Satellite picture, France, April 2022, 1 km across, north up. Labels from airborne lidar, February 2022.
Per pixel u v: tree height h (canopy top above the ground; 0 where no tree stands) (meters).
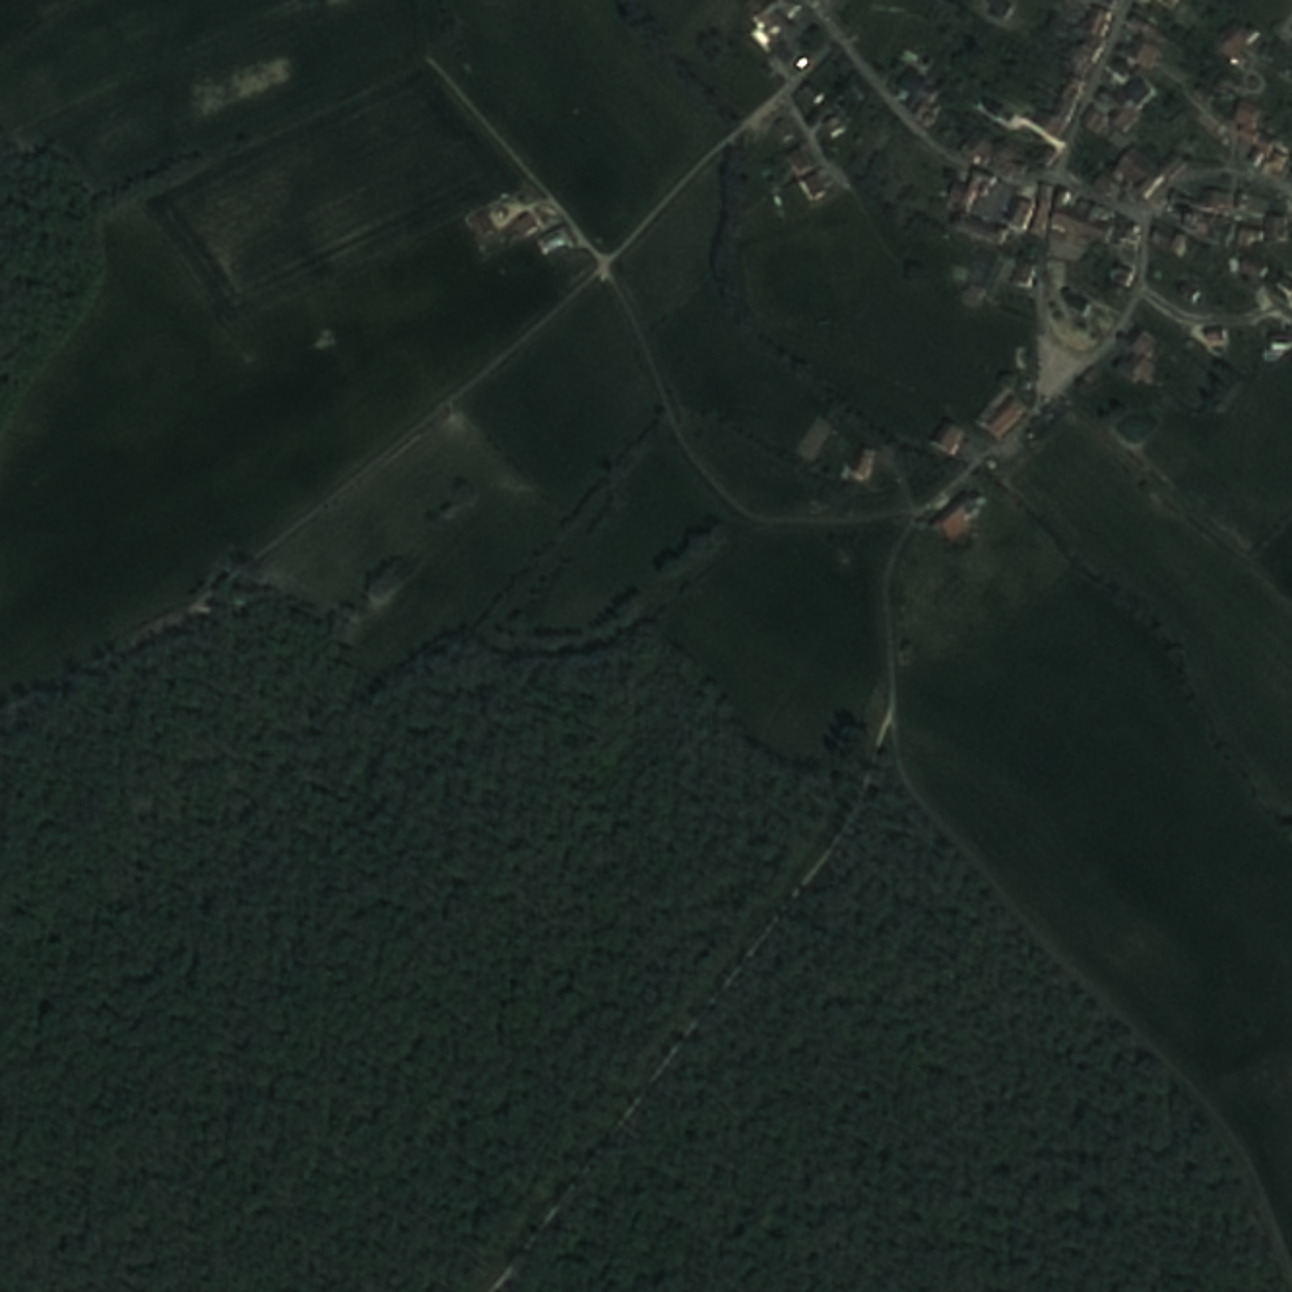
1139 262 0
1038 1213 28
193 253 0
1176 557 0
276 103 0
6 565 0
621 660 21
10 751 25
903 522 0
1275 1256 19
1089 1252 29
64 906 23
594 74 0
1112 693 0
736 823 24
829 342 0
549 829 25
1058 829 0
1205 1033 0
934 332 0
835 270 0
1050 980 21
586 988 23
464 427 0
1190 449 0
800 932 22
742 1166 27
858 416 7
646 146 0
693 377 0
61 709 21
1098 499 0
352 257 0
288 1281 24
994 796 0
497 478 0
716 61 14
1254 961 0
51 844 25
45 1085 23
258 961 23
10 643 0
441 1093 24
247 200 0
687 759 21
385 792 26
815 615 0
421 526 0
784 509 0
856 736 27
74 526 0
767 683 0
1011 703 0
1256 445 0
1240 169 0
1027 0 0
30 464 0
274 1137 25
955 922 27
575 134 0
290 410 0
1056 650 0
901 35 0
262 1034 25
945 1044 24
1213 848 0
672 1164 24
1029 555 0
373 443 0
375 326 0
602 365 0
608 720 21
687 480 0
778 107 0
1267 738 0
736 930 24
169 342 0
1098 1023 24
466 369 0
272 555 0
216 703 22
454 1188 23
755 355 0
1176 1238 26
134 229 0
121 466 0
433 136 0
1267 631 0
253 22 0
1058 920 0
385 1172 23
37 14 0
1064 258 0
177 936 25
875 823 28
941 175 0
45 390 0
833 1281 25
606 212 0
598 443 0
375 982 21
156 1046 24
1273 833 0
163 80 0
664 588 0
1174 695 0
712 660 0
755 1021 20
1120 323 0
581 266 0
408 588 0
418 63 0
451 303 0
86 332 0
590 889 22
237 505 0
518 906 22
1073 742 0
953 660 0
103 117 0
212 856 23
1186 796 0
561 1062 24
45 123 0
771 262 0
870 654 0
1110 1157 28
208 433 0
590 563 0
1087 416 0
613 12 0
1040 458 0
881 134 0
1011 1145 24
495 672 28
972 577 0
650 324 0
